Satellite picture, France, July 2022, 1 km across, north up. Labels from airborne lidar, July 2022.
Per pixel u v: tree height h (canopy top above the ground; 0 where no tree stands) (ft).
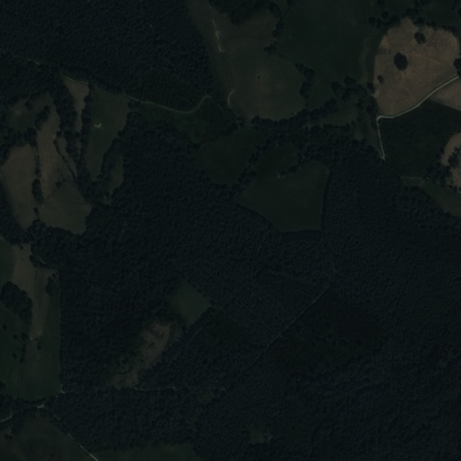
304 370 30
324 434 88
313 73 57
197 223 77
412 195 51
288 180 0
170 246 73
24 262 0
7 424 23
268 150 47
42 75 54
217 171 0
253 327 41
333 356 29
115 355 53
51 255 61
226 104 69
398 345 76
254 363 73
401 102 0
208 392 61
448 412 76
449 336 58
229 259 41
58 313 0
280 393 60
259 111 0
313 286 48
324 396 114
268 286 52
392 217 58
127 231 45
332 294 33
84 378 64
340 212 56
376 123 20
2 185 49
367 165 35
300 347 36
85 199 64
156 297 31
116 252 87
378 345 22
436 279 53
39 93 61
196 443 52
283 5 0
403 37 0
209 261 55
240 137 0
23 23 94
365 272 61
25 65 35
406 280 49
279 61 0
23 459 0
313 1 0
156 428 78
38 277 0
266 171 0
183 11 79
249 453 67
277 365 50
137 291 43
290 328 26
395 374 48
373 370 82
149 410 56
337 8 0
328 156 73
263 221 94
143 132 44
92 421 68
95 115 0
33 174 0
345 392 84
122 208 64
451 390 85
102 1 132
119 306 47
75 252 75
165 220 80
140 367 0
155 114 0
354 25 0
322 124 0
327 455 87
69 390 55
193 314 0
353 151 52
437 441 83
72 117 39
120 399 30
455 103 0
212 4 51
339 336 31
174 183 80
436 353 71
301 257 87
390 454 82
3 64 25
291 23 0
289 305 48
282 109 0
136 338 46
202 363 47
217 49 0
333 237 62
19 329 0
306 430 57
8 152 51
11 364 0
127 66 79
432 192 0
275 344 35
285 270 68
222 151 0
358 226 63
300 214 0
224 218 68
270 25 0
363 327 30
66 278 59
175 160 53
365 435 89
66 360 44
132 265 66
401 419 82
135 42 87
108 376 49
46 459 0
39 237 58
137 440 51
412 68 0
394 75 0
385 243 51
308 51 0
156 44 79
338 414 96
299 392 63
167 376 67
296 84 0
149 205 81
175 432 68
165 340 0
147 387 60
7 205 66
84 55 26
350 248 62
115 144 61
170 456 0
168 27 80
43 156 0
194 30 81
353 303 24
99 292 65
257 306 55
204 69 67
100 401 72
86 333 59
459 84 0
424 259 70
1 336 0
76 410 65
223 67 0
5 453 0
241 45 0
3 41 90
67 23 82
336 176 63
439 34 0
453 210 0
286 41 0
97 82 64
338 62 0
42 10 98
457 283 48
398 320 59
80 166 67
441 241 47
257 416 73
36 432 0
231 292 57
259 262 35
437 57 0
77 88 0
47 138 0
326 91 0
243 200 0
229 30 0
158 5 79
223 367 60
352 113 0
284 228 0
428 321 31
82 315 62
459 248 50
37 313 0
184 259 48
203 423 68
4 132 51
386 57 0
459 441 54
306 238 101
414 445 75
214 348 23
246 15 37
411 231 57
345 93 30
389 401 62
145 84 22
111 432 54
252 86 0
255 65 0
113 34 76
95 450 63
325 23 0
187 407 88
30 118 0
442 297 56
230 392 68
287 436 65
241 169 0
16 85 30
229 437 67
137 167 68
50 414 52
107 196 72
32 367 0
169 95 28
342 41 0
